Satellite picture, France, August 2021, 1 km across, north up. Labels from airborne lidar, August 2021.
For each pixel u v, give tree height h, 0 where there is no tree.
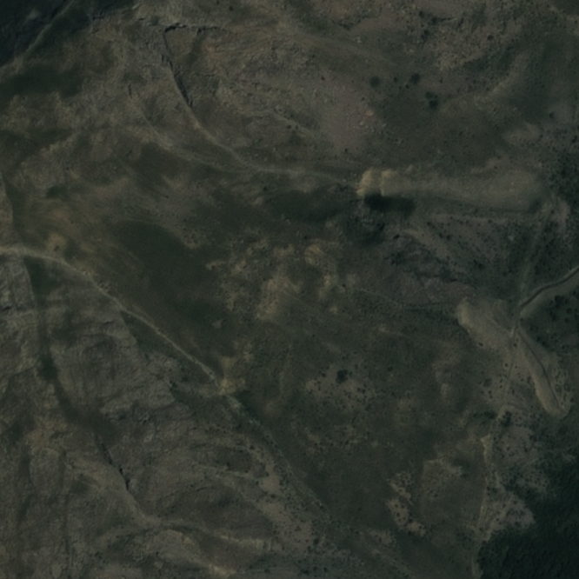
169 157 0
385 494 0
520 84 0
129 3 0
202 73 0
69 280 0
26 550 0
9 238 0
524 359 0
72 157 0
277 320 0
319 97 0
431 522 0
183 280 0
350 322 0
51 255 0
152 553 0
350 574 0
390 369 8
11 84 0
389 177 0
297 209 0
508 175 0
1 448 0
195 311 0
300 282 0
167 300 0
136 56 0
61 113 0
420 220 0
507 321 0
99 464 0
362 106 0
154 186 0
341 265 0
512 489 6
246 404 0
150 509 0
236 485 0
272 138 0
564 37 0
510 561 12
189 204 0
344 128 0
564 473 6
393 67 0
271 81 0
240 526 0
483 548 9
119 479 0
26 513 0
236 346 0
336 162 0
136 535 0
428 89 0
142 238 0
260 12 0
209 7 0
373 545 0
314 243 0
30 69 0
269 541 0
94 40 0
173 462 0
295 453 0
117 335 0
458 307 0
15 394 0
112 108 0
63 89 0
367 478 0
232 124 0
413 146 0
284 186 0
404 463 0
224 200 0
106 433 0
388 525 0
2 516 0
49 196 0
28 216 0
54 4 0
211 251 0
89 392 0
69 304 0
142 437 0
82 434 0
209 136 0
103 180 0
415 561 0
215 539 0
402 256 6
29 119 0
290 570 0
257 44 0
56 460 0
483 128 0
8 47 0
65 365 0
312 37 0
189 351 0
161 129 0
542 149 0
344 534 0
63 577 0
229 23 0
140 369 0
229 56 0
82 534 0
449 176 0
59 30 0
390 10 0
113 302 0
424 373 0
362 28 0
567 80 0
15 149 0
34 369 0
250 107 0
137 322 0
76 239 0
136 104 0
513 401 0
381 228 7
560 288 0
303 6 0
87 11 0
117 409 0
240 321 0
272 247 0
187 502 0
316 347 0
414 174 0
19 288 0
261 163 0
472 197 0
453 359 0
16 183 0
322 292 0
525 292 0
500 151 0
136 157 0
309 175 0
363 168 0
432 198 0
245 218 0
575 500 6
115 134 0
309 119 0
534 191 0
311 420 0
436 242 0
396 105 0
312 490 0
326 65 0
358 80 0
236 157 0
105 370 0
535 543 11
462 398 0
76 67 0
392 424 0
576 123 0
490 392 6
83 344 0
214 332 0
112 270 0
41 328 0
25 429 0
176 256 0
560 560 11
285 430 0
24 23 0
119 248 0
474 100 0
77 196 0
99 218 0
